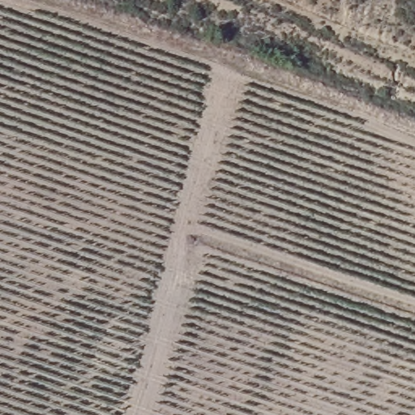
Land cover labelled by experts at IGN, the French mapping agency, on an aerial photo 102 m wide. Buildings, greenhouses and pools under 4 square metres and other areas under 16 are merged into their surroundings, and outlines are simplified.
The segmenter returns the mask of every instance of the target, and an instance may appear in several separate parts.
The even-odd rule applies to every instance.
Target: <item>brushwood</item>
[[[292,71],[293,75],[310,79],[313,83],[321,83],[326,88],[334,88],[345,96],[368,102],[379,109],[399,113],[400,117],[415,120],[415,0],[79,0],[104,6],[105,10],[112,10],[118,15],[138,16],[146,24],[178,32],[195,41],[209,41],[217,47],[250,53],[251,60],[259,60],[279,70]]]

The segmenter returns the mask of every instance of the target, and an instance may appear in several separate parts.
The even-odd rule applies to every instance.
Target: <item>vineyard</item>
[[[118,15],[112,10],[105,10],[104,6],[79,0],[0,0],[0,415],[415,415],[415,120],[400,117],[399,113],[379,109],[368,102],[345,96],[334,88],[326,88],[321,83],[313,83],[310,79],[293,75],[292,71],[279,70],[259,60],[251,60],[250,53],[217,47],[209,41],[195,41],[178,32],[146,24],[138,16]]]

